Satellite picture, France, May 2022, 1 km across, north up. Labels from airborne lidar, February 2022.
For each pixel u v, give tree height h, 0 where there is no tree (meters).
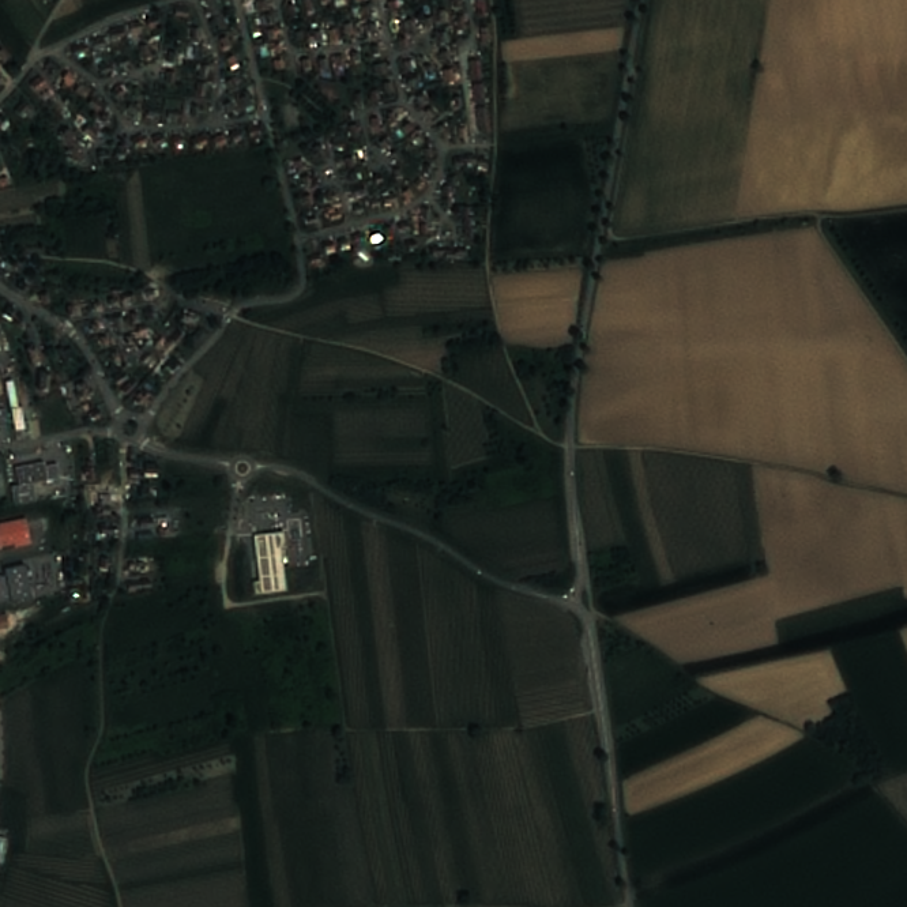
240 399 0
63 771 0
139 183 0
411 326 0
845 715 8
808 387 0
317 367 0
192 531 0
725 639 0
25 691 0
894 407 0
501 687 0
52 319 0
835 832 0
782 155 0
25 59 0
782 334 0
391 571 0
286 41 0
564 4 0
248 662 0
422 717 0
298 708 0
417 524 0
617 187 0
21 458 0
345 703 0
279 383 0
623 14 0
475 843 0
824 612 0
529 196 0
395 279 0
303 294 0
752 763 0
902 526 0
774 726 0
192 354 0
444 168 0
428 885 0
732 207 0
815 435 0
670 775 0
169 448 0
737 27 0
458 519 0
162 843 0
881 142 0
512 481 0
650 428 0
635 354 0
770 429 0
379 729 0
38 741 0
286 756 0
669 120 0
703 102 0
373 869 0
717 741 0
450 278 0
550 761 0
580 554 0
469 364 0
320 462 0
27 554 0
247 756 0
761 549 0
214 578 0
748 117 0
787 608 0
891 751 0
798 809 0
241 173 0
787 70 0
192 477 0
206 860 0
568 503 0
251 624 0
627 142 0
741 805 0
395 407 0
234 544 0
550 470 0
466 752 0
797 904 0
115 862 0
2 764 0
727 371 0
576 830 0
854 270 0
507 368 0
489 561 0
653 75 0
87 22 0
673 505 0
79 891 0
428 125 0
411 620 0
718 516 0
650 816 0
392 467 0
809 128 0
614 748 0
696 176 0
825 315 0
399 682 0
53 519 0
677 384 0
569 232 0
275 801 0
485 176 9
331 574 0
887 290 0
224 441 0
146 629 0
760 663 0
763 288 0
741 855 0
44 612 0
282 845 0
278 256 9
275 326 0
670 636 0
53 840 0
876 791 0
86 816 0
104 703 0
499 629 0
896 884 0
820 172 0
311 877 0
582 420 0
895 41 0
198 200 0
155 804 0
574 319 0
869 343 0
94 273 0
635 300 0
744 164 0
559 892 0
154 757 0
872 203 0
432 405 0
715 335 0
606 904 0
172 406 0
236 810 0
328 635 0
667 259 0
